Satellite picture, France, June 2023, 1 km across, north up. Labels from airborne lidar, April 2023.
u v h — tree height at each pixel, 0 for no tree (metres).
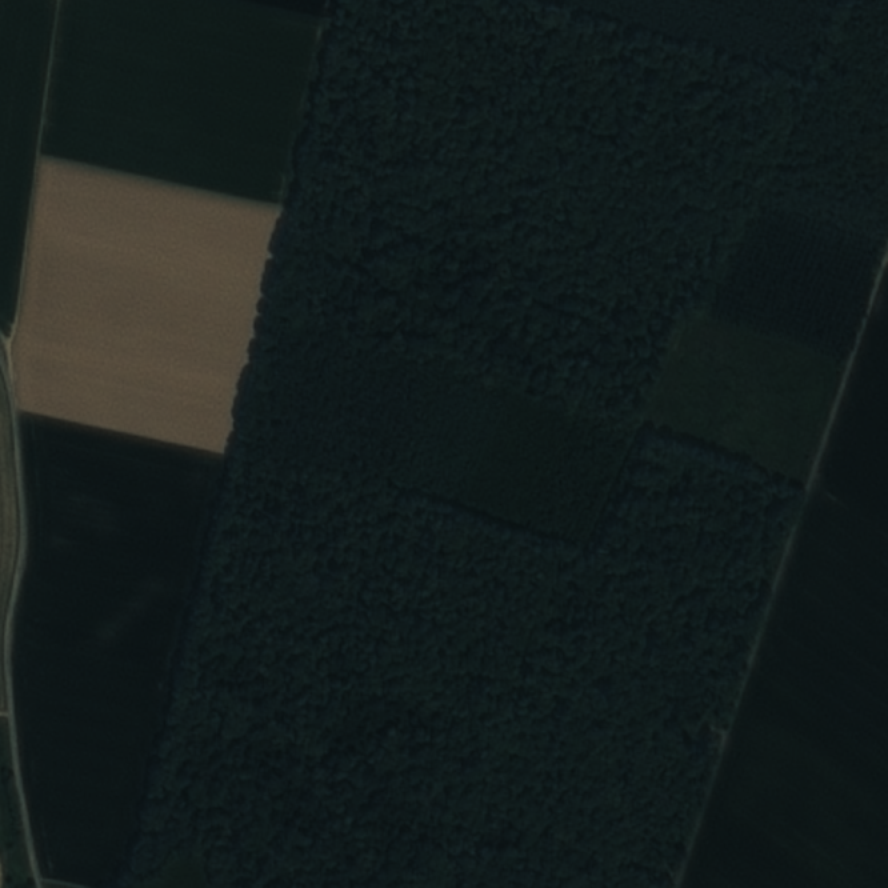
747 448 0
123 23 0
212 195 0
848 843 0
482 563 26
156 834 24
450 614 18
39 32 0
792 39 11
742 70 23
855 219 19
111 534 0
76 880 0
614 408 23
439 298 21
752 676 0
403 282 20
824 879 0
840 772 0
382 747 25
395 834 25
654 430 23
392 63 23
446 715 17
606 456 6
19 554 0
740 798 0
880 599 0
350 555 22
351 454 22
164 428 0
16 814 9
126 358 0
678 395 0
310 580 24
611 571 24
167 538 0
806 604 0
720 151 26
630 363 25
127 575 0
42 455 0
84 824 0
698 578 17
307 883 25
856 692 0
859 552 0
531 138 26
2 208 0
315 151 20
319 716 24
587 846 20
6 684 0
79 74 0
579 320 25
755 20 11
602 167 24
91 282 0
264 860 27
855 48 18
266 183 0
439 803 22
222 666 12
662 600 19
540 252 24
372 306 21
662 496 19
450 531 26
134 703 0
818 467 0
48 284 0
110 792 0
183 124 0
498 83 26
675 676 27
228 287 0
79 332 0
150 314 0
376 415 21
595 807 28
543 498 6
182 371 0
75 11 0
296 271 25
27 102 0
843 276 23
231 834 6
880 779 0
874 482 0
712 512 25
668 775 23
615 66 24
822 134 20
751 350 0
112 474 0
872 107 23
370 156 25
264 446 21
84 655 0
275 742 19
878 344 0
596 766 19
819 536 0
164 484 0
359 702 24
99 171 0
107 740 0
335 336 24
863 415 0
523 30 26
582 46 24
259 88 0
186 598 0
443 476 7
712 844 0
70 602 0
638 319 28
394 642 27
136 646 0
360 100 24
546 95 26
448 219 20
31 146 0
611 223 22
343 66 21
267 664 22
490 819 24
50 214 0
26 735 0
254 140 0
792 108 25
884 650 0
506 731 25
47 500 0
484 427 7
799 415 0
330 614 24
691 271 26
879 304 0
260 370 20
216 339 0
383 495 21
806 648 0
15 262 0
